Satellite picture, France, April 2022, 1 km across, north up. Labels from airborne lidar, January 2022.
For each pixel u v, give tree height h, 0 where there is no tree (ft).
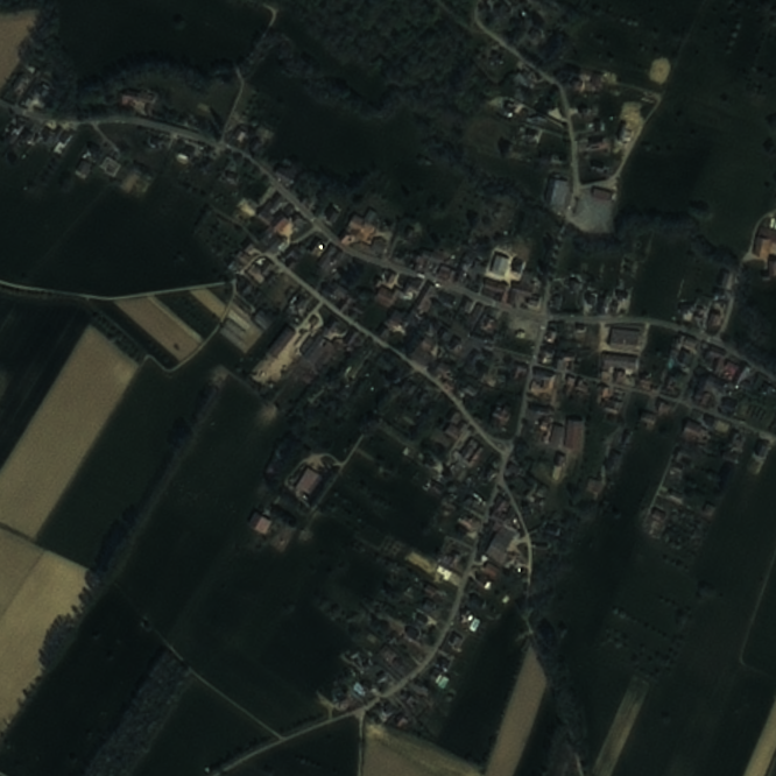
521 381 44
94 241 0
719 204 0
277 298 0
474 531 0
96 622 0
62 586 0
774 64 0
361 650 0
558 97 43
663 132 0
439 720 0
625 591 0
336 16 93
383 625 29
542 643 63
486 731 0
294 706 0
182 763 0
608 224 0
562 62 68
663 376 0
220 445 0
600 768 0
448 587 0
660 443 0
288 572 0
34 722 0
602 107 0
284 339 0
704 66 0
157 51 0
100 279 0
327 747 0
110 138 0
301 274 0
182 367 0
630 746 0
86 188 0
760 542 0
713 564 0
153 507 57
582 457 0
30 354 0
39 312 0
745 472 0
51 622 0
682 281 0
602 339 0
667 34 0
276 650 0
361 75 0
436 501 0
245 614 0
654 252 0
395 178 0
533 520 0
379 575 0
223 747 0
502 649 0
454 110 111
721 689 0
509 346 30
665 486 0
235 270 0
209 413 70
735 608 0
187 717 0
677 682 0
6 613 0
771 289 0
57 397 0
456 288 0
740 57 0
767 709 0
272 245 0
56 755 0
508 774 0
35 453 0
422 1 83
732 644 0
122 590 0
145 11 0
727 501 0
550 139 0
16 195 0
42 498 0
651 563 0
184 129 0
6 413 0
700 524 23
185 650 0
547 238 0
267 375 0
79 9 0
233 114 0
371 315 0
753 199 0
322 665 0
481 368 46
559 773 0
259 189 0
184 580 0
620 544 0
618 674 0
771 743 0
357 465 0
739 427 0
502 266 0
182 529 0
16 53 0
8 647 0
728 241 0
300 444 77
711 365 31
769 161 0
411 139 0
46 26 78
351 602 0
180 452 89
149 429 0
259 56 60
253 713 0
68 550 0
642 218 72
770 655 0
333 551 0
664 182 0
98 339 0
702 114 0
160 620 0
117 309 0
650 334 0
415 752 0
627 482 0
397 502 0
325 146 0
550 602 81
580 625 0
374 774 0
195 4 0
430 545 0
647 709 0
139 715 53
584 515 55
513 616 0
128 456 0
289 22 0
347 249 0
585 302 0
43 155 0
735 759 0
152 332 0
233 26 0
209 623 0
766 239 0
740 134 0
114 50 0
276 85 0
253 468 0
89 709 0
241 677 0
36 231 0
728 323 0
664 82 0
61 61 76
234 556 0
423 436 37
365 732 0
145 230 0
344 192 116
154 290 0
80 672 0
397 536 0
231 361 0
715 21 0
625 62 0
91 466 0
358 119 0
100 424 0
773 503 0
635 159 0
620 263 0
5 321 0
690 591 0
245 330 0
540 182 0
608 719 0
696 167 0
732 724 0
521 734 0
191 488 0
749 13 0
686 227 74
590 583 0
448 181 0
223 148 0
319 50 0
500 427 53
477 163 38
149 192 0
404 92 97
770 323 57
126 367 0
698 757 0
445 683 0
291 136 0
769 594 0
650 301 0
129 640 0
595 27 0
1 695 0
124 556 106
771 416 0
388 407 22
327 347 0
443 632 0
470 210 0
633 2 0
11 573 0
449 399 28
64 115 69
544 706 0
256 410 0
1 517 0
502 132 0
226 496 0
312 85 68
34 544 0
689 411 0
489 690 0
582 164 0
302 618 0
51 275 0
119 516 0
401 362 25
